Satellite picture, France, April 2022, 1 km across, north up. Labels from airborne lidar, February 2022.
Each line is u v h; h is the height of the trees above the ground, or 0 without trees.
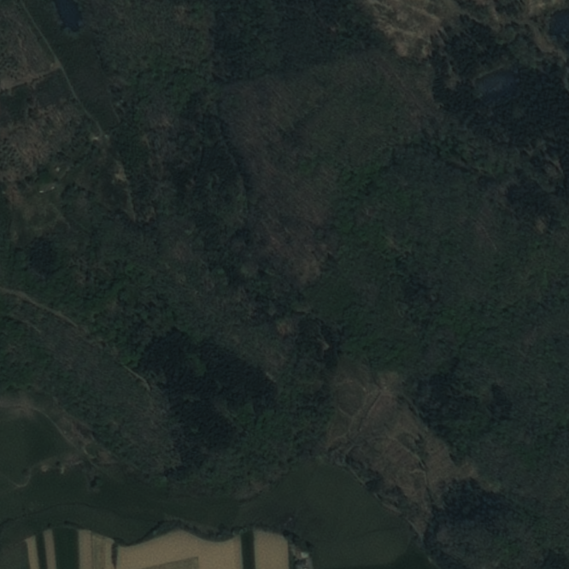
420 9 0
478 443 21
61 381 22
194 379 31
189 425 20
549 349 25
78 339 24
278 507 0
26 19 6
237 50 19
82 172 0
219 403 27
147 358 26
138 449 14
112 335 20
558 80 21
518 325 24
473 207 18
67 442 0
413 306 8
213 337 22
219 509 0
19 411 0
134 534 0
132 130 14
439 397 15
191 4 19
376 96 18
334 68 19
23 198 0
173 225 30
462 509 17
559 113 22
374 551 0
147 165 9
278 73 24
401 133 21
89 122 21
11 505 0
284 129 25
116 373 17
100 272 6
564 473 13
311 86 19
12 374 27
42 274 19
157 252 13
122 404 21
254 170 34
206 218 20
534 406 18
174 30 22
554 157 21
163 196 22
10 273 8
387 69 34
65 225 0
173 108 24
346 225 26
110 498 0
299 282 29
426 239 25
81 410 26
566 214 25
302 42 14
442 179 18
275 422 26
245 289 18
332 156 23
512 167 21
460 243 16
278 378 20
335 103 24
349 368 0
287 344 30
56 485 0
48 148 7
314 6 18
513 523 23
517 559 20
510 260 21
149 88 29
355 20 20
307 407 8
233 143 30
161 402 22
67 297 20
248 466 22
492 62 27
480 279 21
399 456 0
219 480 26
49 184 0
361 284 19
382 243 17
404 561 0
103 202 0
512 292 15
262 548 0
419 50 0
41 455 0
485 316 19
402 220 16
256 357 22
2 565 0
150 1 17
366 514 0
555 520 16
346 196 23
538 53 13
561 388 20
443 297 24
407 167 20
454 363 14
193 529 15
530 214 33
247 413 17
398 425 0
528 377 22
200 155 17
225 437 23
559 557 18
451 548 10
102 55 25
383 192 21
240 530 11
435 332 22
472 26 31
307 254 30
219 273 27
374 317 24
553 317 20
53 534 0
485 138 21
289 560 0
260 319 17
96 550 0
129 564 0
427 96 10
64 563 0
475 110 26
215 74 8
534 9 0
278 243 29
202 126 17
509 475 12
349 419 0
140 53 23
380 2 0
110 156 0
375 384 0
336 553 0
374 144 21
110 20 23
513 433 20
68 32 21
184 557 0
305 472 0
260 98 27
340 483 0
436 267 20
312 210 29
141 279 22
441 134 26
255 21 17
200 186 16
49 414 0
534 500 12
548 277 20
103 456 0
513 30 19
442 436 11
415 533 13
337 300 10
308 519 0
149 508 0
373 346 19
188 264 25
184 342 23
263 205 28
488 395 0
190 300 21
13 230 0
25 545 0
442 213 19
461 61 29
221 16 27
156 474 21
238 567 0
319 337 12
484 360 17
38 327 24
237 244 31
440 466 0
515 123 24
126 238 19
